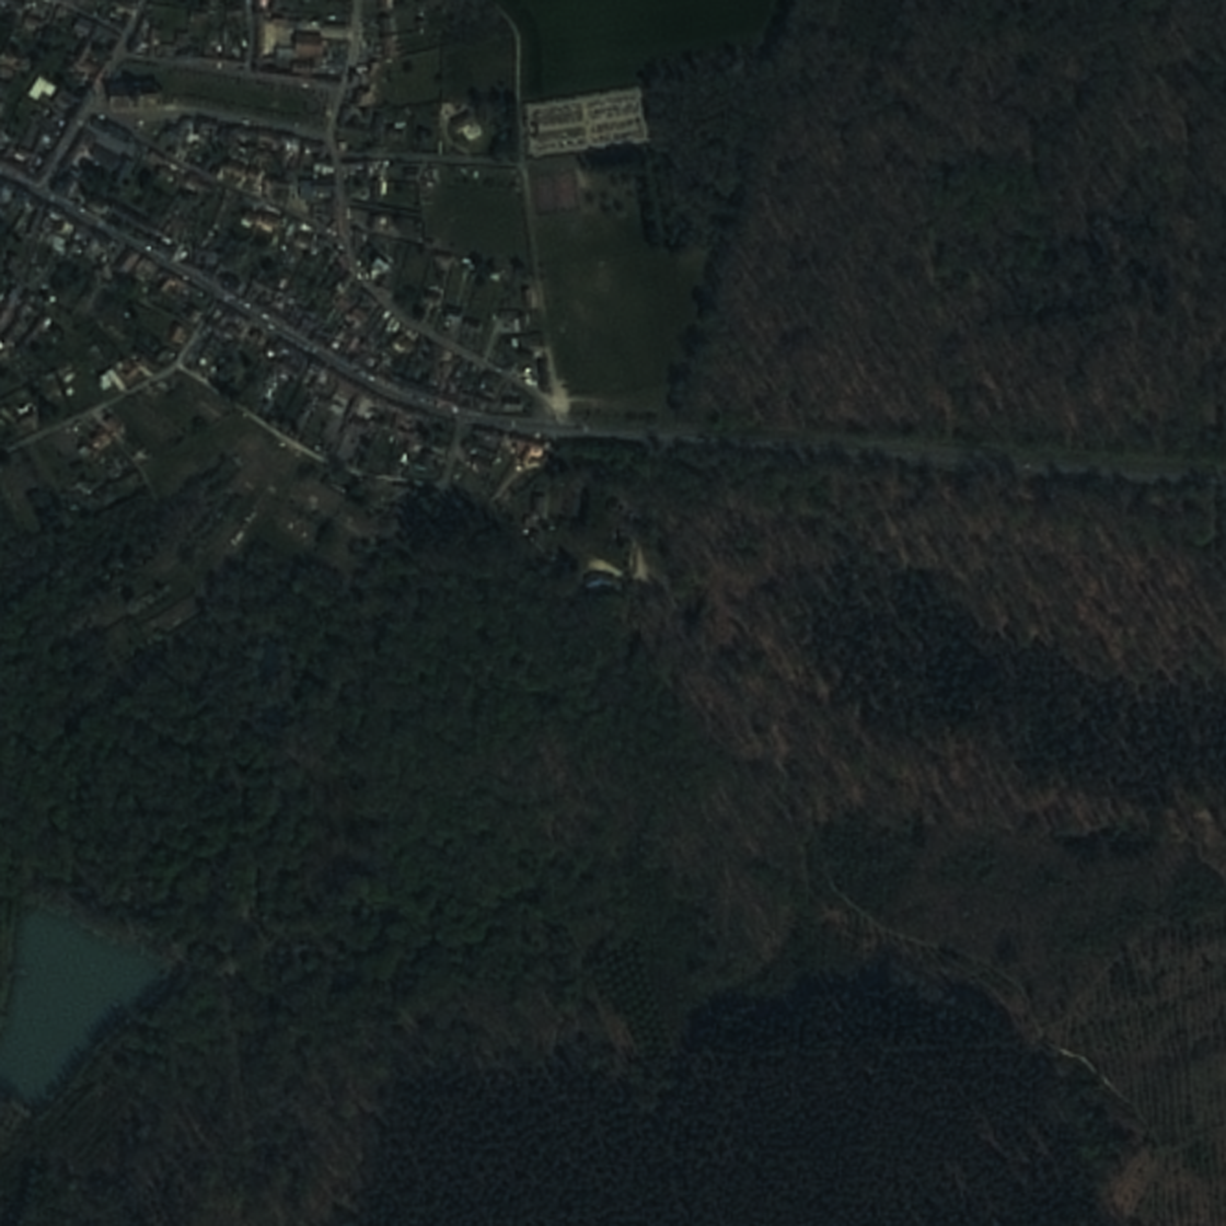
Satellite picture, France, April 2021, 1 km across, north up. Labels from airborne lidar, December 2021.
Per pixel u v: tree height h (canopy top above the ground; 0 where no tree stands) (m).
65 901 28
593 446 11
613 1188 23
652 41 0
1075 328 29
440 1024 28
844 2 17
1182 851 8
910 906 10
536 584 22
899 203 30
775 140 30
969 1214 19
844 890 12
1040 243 23
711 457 26
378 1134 22
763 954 17
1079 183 30
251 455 0
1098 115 33
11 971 6
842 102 31
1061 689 21
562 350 0
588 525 16
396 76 0
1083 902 9
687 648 28
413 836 21
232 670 18
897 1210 15
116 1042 26
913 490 26
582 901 26
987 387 33
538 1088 25
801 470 30
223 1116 22
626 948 16
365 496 8
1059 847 11
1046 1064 11
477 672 26
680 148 24
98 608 25
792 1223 16
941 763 18
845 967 7
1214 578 28
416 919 16
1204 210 32
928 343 32
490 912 17
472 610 24
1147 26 35
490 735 20
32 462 11
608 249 0
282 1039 27
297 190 0
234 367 15
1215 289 29
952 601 19
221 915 28
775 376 32
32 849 28
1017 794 26
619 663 28
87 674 26
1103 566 31
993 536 29
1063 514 32
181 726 31
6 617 24
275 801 26
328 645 20
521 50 0
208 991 21
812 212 35
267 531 0
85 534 10
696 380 20
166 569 0
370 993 23
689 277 0
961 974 5
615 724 25
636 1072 17
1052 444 29
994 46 33
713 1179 20
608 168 16
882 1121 20
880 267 33
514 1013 28
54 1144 11
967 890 12
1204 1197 0
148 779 32
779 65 29
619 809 25
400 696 26
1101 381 31
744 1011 24
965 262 27
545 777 24
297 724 25
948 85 33
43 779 24
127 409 0
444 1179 23
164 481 0
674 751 23
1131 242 28
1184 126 0
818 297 29
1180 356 31
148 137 0
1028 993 9
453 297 0
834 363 36
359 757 31
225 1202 23
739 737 27
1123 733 25
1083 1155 18
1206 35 30
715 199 23
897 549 25
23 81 8
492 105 15
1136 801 25
